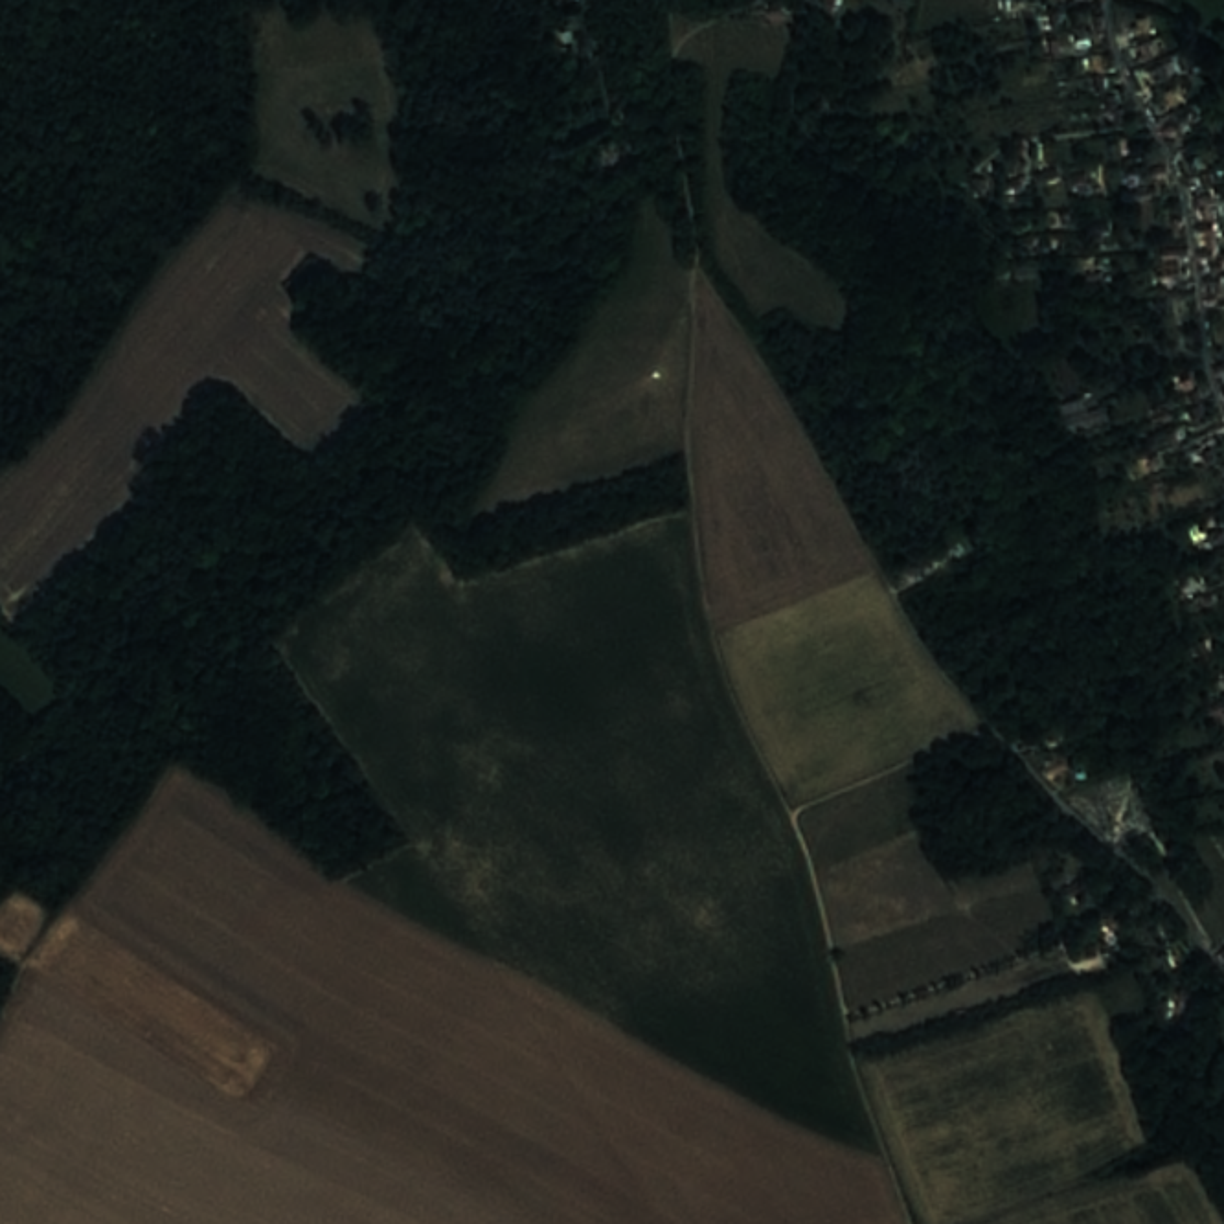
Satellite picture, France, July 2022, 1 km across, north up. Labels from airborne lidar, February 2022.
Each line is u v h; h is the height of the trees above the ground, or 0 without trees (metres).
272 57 0
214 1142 0
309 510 11
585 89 8
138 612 19
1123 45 0
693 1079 0
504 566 12
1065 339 17
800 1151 0
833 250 20
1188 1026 11
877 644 0
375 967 0
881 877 0
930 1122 0
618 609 0
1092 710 24
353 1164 0
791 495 0
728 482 0
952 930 0
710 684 0
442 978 0
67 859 18
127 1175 0
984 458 22
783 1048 0
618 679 0
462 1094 0
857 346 21
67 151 22
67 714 9
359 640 0
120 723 14
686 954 0
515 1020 0
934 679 0
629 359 0
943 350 23
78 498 0
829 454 19
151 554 21
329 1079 0
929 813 14
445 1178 0
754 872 0
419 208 17
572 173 16
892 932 0
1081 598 20
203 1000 0
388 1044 0
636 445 0
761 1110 0
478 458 8
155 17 18
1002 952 0
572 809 0
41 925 0
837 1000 0
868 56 20
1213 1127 19
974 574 17
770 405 0
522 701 0
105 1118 0
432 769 0
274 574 7
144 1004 0
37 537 0
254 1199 0
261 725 22
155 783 9
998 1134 0
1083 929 11
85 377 7
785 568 0
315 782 21
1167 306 0
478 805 0
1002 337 0
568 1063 0
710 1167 0
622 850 0
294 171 0
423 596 0
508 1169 0
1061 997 9
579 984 0
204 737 15
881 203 26
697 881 0
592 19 10
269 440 20
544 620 0
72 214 10
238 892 0
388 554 0
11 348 19
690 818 0
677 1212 0
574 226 16
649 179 6
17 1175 0
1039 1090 0
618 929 0
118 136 15
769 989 0
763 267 0
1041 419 24
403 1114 0
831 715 0
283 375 0
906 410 20
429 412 7
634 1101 0
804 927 0
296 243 0
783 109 18
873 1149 0
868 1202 0
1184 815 23
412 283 18
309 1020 0
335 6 23
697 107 11
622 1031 0
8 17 9
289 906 0
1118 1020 9
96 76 8
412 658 0
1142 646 21
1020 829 18
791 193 19
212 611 18
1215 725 14
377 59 0
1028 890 0
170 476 18
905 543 15
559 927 0
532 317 16
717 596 0
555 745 0
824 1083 0
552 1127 0
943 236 23
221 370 0
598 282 18
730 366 0
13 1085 0
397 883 0
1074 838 13
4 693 10
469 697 0
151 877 0
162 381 0
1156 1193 0
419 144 22
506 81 27
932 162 22
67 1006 0
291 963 0
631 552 0
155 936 0
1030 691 22
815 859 0
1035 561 22
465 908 0
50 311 18
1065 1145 0
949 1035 8
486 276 17
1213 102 9
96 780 14
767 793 0
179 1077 0
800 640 0
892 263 20
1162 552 26
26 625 10
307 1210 0
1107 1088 0
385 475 23
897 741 0
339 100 0
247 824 0
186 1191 0
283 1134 0
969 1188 0
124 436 0
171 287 0
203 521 9
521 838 0
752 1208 0
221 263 0
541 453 0
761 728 0
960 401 20
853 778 0
